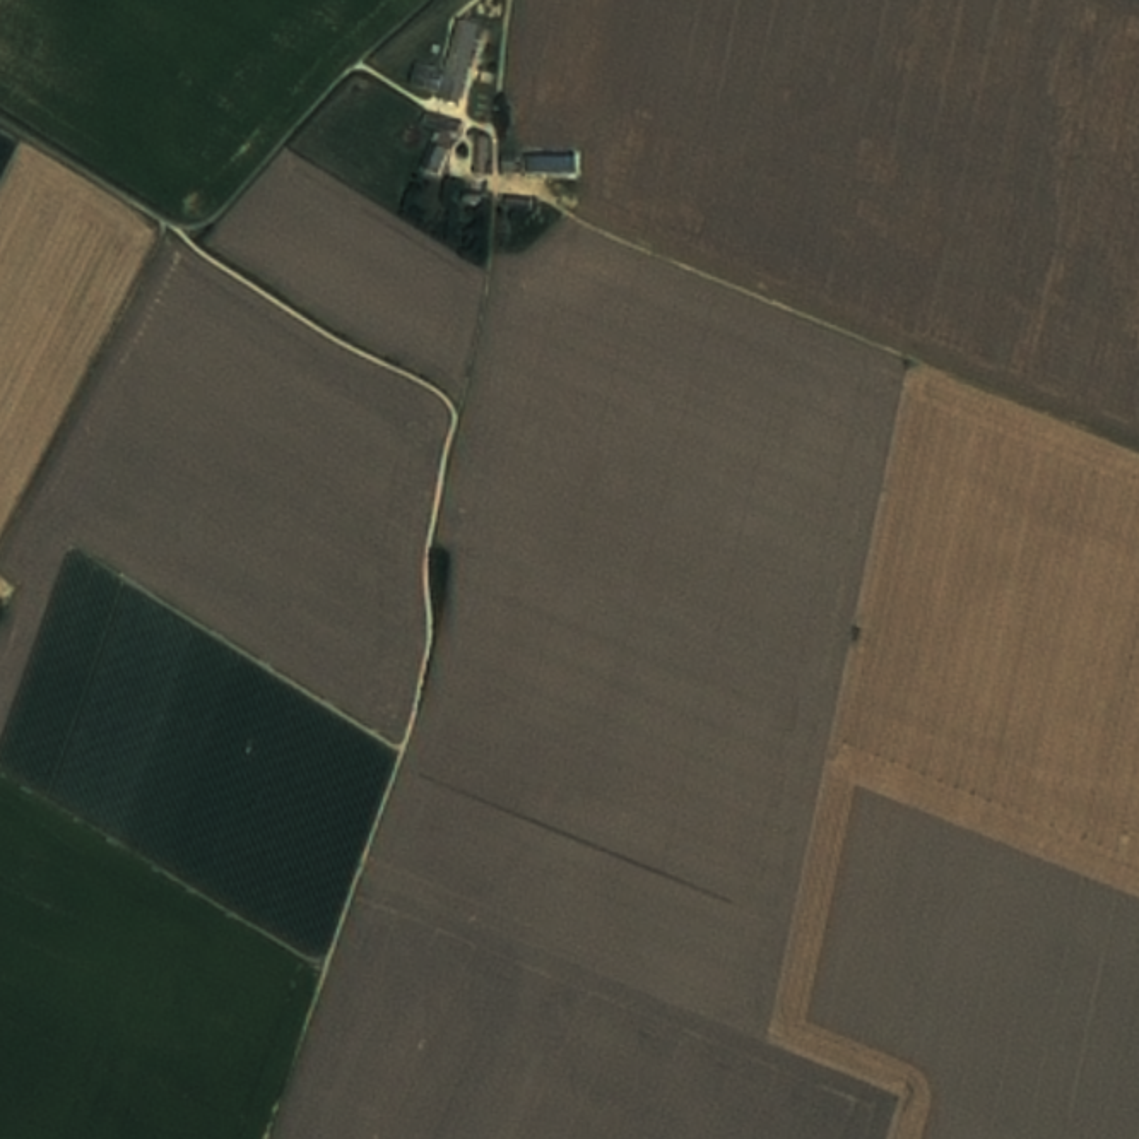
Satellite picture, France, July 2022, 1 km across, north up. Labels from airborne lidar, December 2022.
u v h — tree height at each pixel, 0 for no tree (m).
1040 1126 0
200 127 0
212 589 0
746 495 0
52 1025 0
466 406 0
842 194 0
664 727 0
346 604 0
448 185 11
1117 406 0
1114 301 0
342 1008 0
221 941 0
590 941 0
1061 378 0
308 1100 0
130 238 0
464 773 0
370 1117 0
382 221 0
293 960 0
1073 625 0
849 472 0
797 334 0
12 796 0
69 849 0
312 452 0
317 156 0
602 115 0
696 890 0
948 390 0
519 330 0
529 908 0
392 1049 0
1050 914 0
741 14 0
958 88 0
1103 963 0
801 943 0
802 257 0
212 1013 0
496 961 0
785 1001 0
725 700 0
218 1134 0
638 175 0
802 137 0
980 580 0
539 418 0
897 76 0
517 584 0
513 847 0
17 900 0
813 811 0
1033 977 0
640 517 0
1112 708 0
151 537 0
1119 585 0
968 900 0
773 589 0
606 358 0
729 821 0
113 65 0
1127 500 0
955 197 0
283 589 0
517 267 0
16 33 0
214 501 0
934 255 0
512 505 0
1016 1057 0
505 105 12
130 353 0
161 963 0
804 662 0
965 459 0
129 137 0
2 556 0
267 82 0
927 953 0
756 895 0
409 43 0
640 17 0
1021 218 0
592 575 0
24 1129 0
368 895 0
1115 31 0
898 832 0
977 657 0
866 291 0
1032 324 0
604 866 0
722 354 0
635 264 0
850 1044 0
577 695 0
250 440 0
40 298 0
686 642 0
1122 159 0
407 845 0
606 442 0
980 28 0
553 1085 0
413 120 0
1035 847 0
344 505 0
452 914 0
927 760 0
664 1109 0
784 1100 0
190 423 0
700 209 0
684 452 0
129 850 0
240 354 0
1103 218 0
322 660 0
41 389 0
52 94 0
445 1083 0
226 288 0
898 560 0
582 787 0
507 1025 0
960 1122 0
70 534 0
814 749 0
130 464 0
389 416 0
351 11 0
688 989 0
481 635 0
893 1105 0
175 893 0
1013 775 0
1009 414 0
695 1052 0
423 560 0
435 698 0
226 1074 0
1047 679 0
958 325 0
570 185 0
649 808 0
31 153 0
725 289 0
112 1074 0
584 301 0
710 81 0
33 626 0
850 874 0
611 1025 0
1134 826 0
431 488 0
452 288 0
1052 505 0
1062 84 0
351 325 0
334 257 0
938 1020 0
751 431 0
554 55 0
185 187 0
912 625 0
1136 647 0
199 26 0
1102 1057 0
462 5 0
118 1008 0
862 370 0
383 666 0
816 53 0
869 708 0
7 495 0
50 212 0
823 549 0
